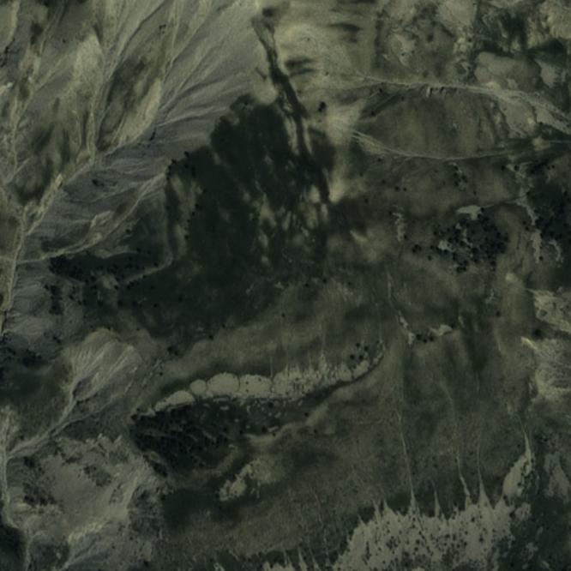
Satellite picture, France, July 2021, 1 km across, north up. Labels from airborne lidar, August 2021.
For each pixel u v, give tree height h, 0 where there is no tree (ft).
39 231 0
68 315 0
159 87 0
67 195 0
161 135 0
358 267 0
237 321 0
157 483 0
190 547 0
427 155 0
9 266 0
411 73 0
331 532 0
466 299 0
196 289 0
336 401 0
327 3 0
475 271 0
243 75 0
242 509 0
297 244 0
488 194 0
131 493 0
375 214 0
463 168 0
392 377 0
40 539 0
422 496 0
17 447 0
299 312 0
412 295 0
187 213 0
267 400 0
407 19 0
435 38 0
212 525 0
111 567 0
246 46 0
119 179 0
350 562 0
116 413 0
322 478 0
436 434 0
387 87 0
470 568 0
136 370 0
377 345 0
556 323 0
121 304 38
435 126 0
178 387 0
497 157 0
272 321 0
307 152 0
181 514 0
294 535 0
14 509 0
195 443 41
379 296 0
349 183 0
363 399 0
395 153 0
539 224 58
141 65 0
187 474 0
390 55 0
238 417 0
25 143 0
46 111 0
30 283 0
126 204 0
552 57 0
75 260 0
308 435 0
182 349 0
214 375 0
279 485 0
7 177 0
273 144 0
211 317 0
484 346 0
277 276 0
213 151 0
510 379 0
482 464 0
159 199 0
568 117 0
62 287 0
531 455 0
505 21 0
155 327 0
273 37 0
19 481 0
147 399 0
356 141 0
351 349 0
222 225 0
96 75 0
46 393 0
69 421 0
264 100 0
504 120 0
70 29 0
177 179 0
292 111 0
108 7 0
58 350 0
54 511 0
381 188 0
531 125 0
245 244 0
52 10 0
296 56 0
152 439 50
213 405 0
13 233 0
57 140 0
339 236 0
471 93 0
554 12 0
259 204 0
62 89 0
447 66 0
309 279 0
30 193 0
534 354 0
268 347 0
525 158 0
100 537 0
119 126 0
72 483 0
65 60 0
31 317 0
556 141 0
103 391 0
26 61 0
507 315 0
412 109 0
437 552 0
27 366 44
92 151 0
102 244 0
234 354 0
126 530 0
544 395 0
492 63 0
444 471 0
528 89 0
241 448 0
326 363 0
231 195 0
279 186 0
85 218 0
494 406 0
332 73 0
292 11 0
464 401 0
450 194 0
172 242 0
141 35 0
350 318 0
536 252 0
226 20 0
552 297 0
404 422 0
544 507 0
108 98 0
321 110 29
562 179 0
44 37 0
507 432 0
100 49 0
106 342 0
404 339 0
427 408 0
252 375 0
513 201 0
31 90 0
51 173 0
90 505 0
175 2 0
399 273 0
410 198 0
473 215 0
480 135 0
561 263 0
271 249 0
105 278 0
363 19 0
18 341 0
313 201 0
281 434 0
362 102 0
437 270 0
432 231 0
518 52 0
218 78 0
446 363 0
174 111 0
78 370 0
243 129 0
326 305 0
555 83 0
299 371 0
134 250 0
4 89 0
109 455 0
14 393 0
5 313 0
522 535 0
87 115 0
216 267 0
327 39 0
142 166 0
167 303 0
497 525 0
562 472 0
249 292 0
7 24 0
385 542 0
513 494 0
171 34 0
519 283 0
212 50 0
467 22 0
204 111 0
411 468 0
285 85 0
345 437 0
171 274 0
